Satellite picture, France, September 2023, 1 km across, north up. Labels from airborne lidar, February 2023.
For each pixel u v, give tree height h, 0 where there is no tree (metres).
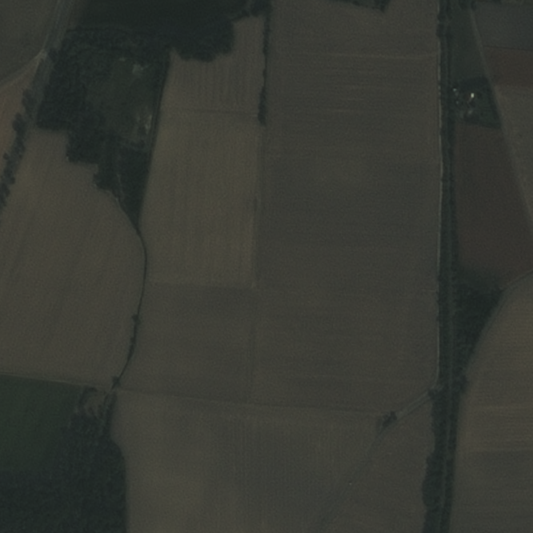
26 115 0
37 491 27
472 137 0
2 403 0
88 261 0
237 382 0
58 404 0
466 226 0
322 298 0
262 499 0
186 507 0
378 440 0
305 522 0
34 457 0
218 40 27
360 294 0
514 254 0
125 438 0
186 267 0
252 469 0
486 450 0
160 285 0
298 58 0
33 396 0
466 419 0
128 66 0
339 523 0
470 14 0
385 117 0
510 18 0
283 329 0
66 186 0
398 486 0
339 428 0
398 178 0
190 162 0
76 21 0
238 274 0
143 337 0
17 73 0
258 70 0
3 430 0
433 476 16
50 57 11
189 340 0
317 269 0
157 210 0
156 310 0
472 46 0
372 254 0
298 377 0
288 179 0
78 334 0
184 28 0
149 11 0
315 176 0
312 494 0
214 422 0
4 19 0
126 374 0
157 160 0
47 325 0
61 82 14
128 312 0
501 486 0
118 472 15
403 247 0
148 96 0
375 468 0
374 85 0
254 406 0
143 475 0
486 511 0
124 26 0
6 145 0
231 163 0
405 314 0
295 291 0
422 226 0
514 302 0
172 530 0
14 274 0
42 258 0
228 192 0
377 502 0
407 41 0
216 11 0
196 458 0
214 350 0
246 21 0
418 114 0
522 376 0
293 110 0
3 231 0
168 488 0
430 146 0
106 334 0
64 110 12
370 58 0
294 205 0
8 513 28
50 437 0
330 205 0
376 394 0
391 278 0
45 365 0
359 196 0
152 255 0
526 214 0
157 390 0
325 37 0
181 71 0
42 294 0
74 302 0
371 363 0
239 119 0
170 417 0
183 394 0
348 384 0
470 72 0
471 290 9
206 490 0
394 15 0
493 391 0
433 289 0
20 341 0
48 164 0
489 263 0
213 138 0
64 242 0
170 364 0
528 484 0
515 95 0
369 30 0
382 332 0
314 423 0
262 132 0
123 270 0
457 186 0
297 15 0
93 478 22
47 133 0
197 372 0
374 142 0
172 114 0
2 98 0
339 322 0
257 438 0
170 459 0
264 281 0
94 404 0
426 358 0
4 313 0
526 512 0
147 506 0
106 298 0
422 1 0
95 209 0
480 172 0
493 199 0
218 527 0
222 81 0
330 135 0
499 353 0
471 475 0
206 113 0
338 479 0
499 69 0
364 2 0
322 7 0
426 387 0
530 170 0
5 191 16
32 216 0
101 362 0
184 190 0
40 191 0
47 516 24
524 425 0
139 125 0
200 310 0
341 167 0
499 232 0
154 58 11
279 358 0
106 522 18
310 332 0
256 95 0
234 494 0
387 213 0
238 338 0
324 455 0
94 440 22
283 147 0
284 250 0
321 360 0
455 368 7
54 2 0
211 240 0
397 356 0
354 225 0
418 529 0
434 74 0
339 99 0
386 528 0
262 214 0
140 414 0
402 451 0
